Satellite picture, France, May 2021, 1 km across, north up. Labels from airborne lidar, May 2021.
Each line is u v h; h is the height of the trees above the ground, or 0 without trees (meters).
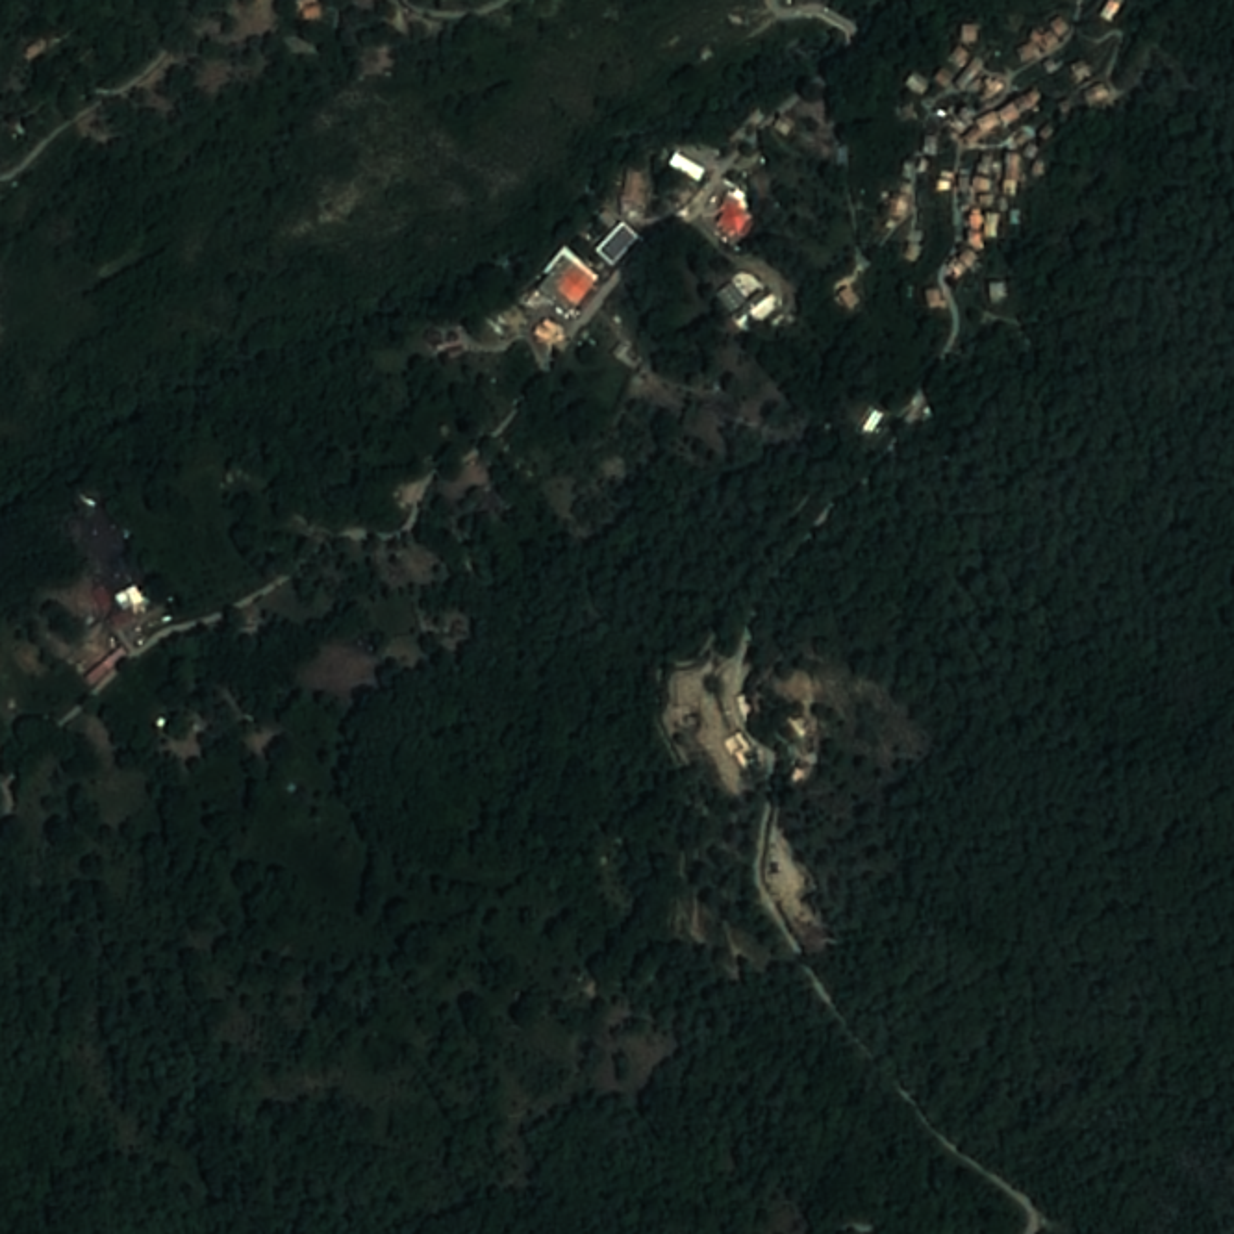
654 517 20
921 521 22
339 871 0
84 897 21
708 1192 14
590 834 17
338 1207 23
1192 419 18
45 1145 28
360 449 15
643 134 19
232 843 16
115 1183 14
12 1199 27
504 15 0
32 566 23
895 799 21
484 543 11
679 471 7
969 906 12
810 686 0
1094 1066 11
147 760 13
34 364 7
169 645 15
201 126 17
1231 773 21
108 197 8
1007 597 24
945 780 15
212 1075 18
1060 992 21
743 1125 15
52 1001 24
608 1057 19
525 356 0
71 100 20
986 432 18
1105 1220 10
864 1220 7
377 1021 25
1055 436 22
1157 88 19
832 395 9
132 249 15
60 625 17
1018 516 20
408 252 5
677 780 16
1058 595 22
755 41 0
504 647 19
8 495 27
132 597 0
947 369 10
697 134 19
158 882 18
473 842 9
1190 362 15
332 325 21
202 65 20
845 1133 21
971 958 17
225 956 12
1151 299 22
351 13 14
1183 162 17
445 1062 12
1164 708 12
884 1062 24
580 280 0
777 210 12
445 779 26
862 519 14
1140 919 21
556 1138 16
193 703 18
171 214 7
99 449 31
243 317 10
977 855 18
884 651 11
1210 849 13
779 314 0
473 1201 12
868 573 14
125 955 15
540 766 19
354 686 0
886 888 14
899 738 0
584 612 15
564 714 22
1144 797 21
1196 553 23
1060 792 21
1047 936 19
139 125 18
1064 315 6
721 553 15
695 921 0
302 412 15
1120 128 10
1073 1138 13
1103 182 12
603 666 16
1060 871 20
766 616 18
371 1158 24
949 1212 18
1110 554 20
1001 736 16
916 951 15
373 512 21
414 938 19
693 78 16
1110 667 11
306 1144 18
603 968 23
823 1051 15
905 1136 15
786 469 21
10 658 0
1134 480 11
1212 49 10
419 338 0
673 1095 21
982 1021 17
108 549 0
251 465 13
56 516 20
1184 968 22
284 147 18
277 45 18
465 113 15
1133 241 18
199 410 19
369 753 15
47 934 10
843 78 19
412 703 25
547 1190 14
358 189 0
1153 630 13
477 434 27
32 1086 16
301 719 18
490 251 6
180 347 7
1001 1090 21
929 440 7
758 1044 15
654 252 21
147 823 0
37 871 6
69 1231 29
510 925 8
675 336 18
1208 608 16
